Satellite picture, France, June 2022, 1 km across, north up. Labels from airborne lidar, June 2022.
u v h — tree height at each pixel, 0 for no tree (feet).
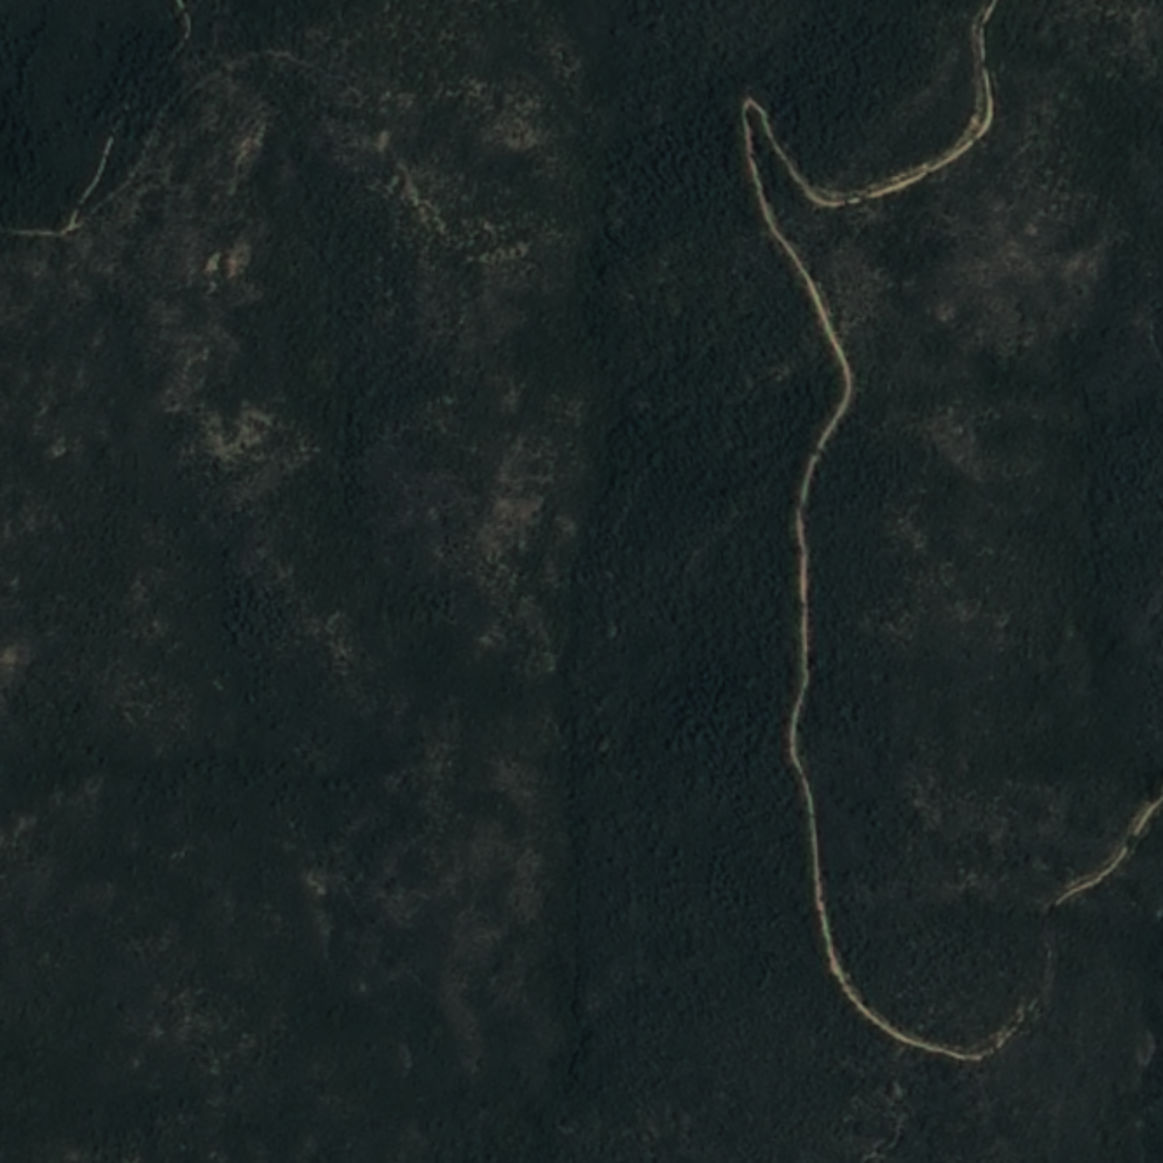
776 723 37
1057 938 32
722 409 31
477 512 23
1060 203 19
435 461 19
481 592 19
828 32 30
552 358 24
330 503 39
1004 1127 28
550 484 31
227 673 31
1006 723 25
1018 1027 24
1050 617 21
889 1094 33
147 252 24
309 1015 32
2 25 45
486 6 34
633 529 19
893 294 18
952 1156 27
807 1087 20
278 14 24
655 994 20
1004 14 28
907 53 35
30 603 28
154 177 22
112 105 37
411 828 21
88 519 29
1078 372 33
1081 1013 26
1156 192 31
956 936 39
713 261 33
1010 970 35
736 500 34
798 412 34
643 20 50
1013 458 26
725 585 23
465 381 28
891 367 19
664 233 31
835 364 30
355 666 25
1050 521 19
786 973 20
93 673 25
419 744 19
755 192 31
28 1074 38
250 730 30
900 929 21
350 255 24
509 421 25
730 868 35
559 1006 22
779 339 20
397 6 29
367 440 25
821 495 22
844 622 22
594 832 29
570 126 22
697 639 34
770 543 26
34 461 39
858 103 33
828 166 19
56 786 27
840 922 22
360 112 27
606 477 20
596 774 46
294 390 23
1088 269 0
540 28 25
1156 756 28
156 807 34
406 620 21
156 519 30
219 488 23
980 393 20
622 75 18
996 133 25
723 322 52
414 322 24
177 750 25
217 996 18
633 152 33
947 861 23
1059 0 32
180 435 26
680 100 23
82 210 18
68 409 31
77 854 22
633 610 26
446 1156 31
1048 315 23
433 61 29
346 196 23
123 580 28
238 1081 30
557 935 20
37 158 42
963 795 19
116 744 25
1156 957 20
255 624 41
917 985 27
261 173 30
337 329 29
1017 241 0
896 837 23
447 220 19
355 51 28
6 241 24
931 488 32
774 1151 20
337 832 17
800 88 45
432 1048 25
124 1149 30
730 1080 21
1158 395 25
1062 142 26
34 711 35
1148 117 33
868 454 30
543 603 29
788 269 26
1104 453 27
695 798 24
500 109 25
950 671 18
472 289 20
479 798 25
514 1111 22
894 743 26
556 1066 30
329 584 25
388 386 19
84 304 24
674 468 26
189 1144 24
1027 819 21
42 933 25
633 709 24
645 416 22
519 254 23
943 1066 31
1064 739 21
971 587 20
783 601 36
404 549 20
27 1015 33
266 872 32
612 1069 19
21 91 39
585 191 33
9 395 20
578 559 21
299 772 19
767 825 20
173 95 29
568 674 44
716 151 56
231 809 28
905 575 18
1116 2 22
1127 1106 27
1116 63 31
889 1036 21
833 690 24
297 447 23
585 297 30
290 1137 20
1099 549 19
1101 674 19
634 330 31
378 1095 18
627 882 26
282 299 37
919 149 27
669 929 22
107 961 19
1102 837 27
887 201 25
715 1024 25
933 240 25
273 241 33
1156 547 18
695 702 43
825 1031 36
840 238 24
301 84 36
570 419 22
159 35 32
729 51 27
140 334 30
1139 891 25
